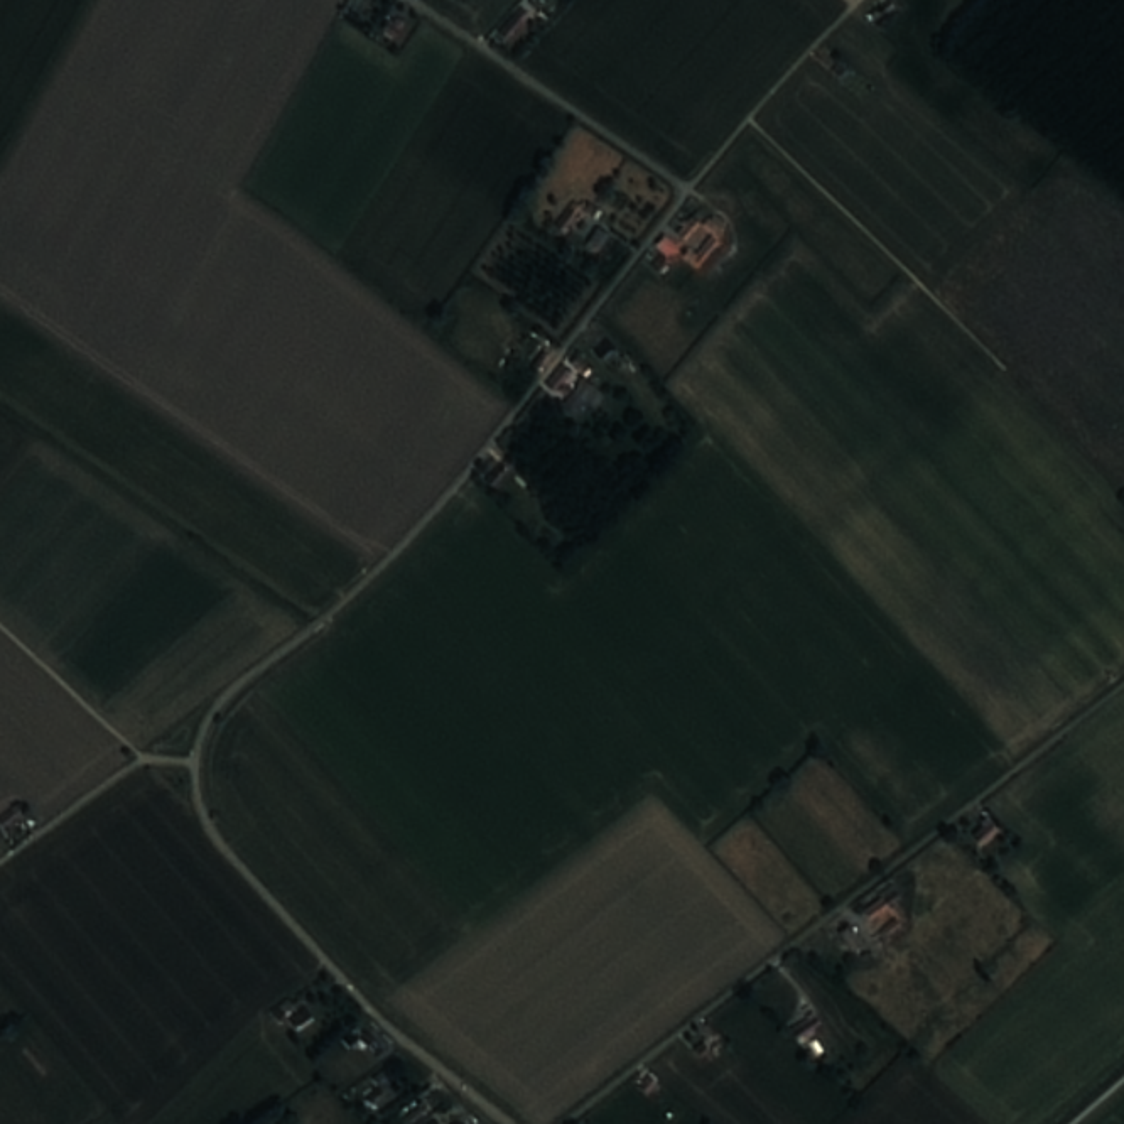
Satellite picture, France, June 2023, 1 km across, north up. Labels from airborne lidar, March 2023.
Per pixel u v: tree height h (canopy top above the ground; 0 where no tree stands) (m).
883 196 0
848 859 0
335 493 0
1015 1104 0
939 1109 0
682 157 0
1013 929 0
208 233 0
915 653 0
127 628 0
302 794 0
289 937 0
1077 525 0
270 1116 14
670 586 0
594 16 0
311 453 0
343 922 0
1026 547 0
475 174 0
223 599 0
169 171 0
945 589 0
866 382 0
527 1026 0
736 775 0
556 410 15
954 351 0
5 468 0
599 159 0
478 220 0
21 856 0
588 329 0
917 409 0
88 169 0
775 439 0
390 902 0
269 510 0
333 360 0
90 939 0
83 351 0
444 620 0
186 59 0
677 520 0
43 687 0
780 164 0
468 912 0
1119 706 0
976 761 0
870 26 0
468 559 0
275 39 0
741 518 0
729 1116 0
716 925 0
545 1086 0
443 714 0
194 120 0
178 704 0
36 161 0
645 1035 0
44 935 0
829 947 0
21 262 0
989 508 0
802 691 0
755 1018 0
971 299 0
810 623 0
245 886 0
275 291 0
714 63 0
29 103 0
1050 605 0
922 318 0
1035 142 0
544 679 0
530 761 0
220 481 0
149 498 0
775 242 0
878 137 0
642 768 0
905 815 0
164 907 0
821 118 0
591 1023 0
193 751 0
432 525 0
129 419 0
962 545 0
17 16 0
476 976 0
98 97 0
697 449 0
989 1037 0
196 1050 0
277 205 0
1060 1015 0
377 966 0
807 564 0
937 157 0
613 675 0
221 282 0
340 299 0
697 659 0
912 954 0
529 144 0
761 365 0
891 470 0
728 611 0
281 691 0
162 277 0
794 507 0
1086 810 0
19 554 0
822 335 0
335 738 0
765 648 0
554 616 0
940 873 0
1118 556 0
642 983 0
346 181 0
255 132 0
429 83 0
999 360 0
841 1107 0
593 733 0
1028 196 0
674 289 0
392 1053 0
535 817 0
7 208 0
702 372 0
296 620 0
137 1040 0
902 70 0
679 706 0
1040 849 0
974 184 0
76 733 0
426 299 0
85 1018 0
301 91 0
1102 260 0
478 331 0
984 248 0
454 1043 0
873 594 0
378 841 0
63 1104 0
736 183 0
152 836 0
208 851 0
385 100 0
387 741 0
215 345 0
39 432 0
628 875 0
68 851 0
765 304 0
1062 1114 0
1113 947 0
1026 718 0
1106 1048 0
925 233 0
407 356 0
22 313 0
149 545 0
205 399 0
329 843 0
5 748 0
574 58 0
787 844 0
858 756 0
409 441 0
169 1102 0
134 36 0
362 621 0
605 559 0
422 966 0
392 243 0
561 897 0
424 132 0
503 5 0
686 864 0
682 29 0
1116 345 0
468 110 0
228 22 0
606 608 0
